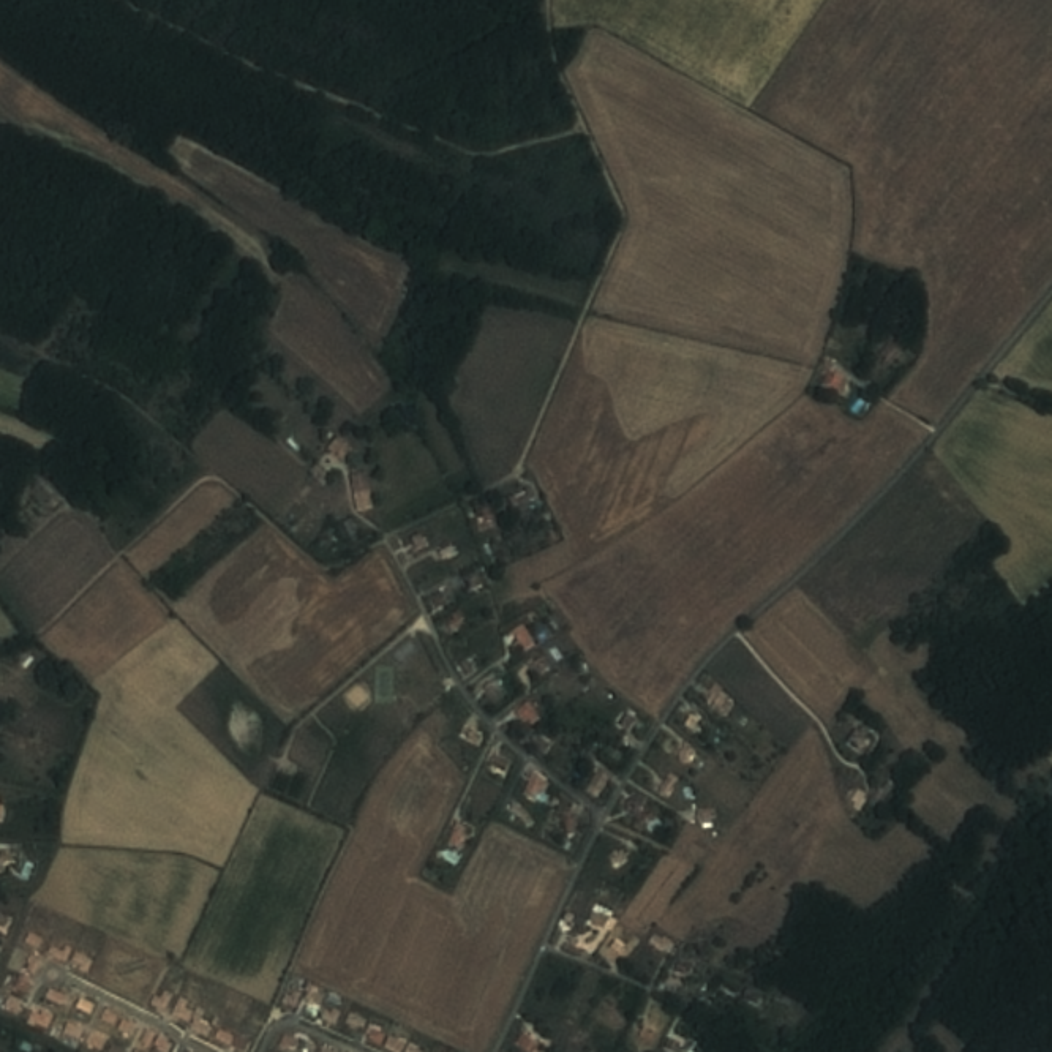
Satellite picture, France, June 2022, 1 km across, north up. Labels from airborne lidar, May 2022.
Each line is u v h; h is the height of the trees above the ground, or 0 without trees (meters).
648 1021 0
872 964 17
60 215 11
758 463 0
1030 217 0
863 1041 15
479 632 0
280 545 0
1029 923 12
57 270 11
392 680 0
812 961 15
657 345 0
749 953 12
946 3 0
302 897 0
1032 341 0
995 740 19
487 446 0
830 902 14
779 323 0
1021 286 0
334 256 0
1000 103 0
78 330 8
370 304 0
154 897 0
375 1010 0
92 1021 0
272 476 0
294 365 0
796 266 0
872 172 0
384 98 6
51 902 0
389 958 0
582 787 12
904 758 12
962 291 0
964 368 0
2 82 0
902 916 14
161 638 0
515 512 12
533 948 0
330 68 7
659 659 0
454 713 0
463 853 0
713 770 0
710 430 0
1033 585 0
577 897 0
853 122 0
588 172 10
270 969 0
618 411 0
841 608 0
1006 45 0
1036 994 12
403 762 0
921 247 0
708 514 0
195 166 0
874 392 14
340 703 0
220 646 0
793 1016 0
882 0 0
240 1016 0
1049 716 12
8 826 0
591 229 10
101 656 0
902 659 0
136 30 14
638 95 0
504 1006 0
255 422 12
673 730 0
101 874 0
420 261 27
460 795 0
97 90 13
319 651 0
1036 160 0
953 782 0
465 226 17
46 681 18
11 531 15
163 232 19
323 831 0
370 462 15
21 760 0
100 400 15
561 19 0
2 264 17
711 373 0
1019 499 0
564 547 0
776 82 0
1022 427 0
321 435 9
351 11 12
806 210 0
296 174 6
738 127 0
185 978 0
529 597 0
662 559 0
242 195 0
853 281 9
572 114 12
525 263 17
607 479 0
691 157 0
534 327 0
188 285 15
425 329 20
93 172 16
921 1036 15
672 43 0
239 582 0
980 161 0
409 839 0
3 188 13
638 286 0
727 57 0
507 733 7
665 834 10
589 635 0
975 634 10
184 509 0
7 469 18
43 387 17
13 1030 7
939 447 0
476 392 0
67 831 0
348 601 0
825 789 0
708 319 0
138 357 8
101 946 0
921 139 0
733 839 0
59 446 18
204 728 0
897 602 0
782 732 0
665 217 0
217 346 17
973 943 24
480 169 12
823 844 0
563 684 0
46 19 16
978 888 30
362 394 0
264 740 0
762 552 0
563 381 0
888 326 18
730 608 0
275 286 10
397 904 0
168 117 14
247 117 13
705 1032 16
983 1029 17
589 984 0
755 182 0
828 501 0
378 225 16
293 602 0
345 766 0
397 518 0
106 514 10
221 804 0
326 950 0
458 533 0
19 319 11
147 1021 0
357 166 12
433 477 0
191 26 10
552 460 0
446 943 0
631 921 0
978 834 32
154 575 7
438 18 17
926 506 0
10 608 9
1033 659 13
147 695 0
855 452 0
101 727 0
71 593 0
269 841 0
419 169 11
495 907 0
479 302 13
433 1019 0
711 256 0
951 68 0
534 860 0
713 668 0
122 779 0
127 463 13
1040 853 9
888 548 0
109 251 16
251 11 11
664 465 0
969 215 0
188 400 10
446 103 11
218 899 0
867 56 0
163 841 0
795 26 0
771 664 0
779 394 0
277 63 8
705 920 0
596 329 0
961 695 18
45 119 0
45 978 0
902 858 0
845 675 0
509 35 15
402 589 0
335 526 6
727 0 0
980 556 9
